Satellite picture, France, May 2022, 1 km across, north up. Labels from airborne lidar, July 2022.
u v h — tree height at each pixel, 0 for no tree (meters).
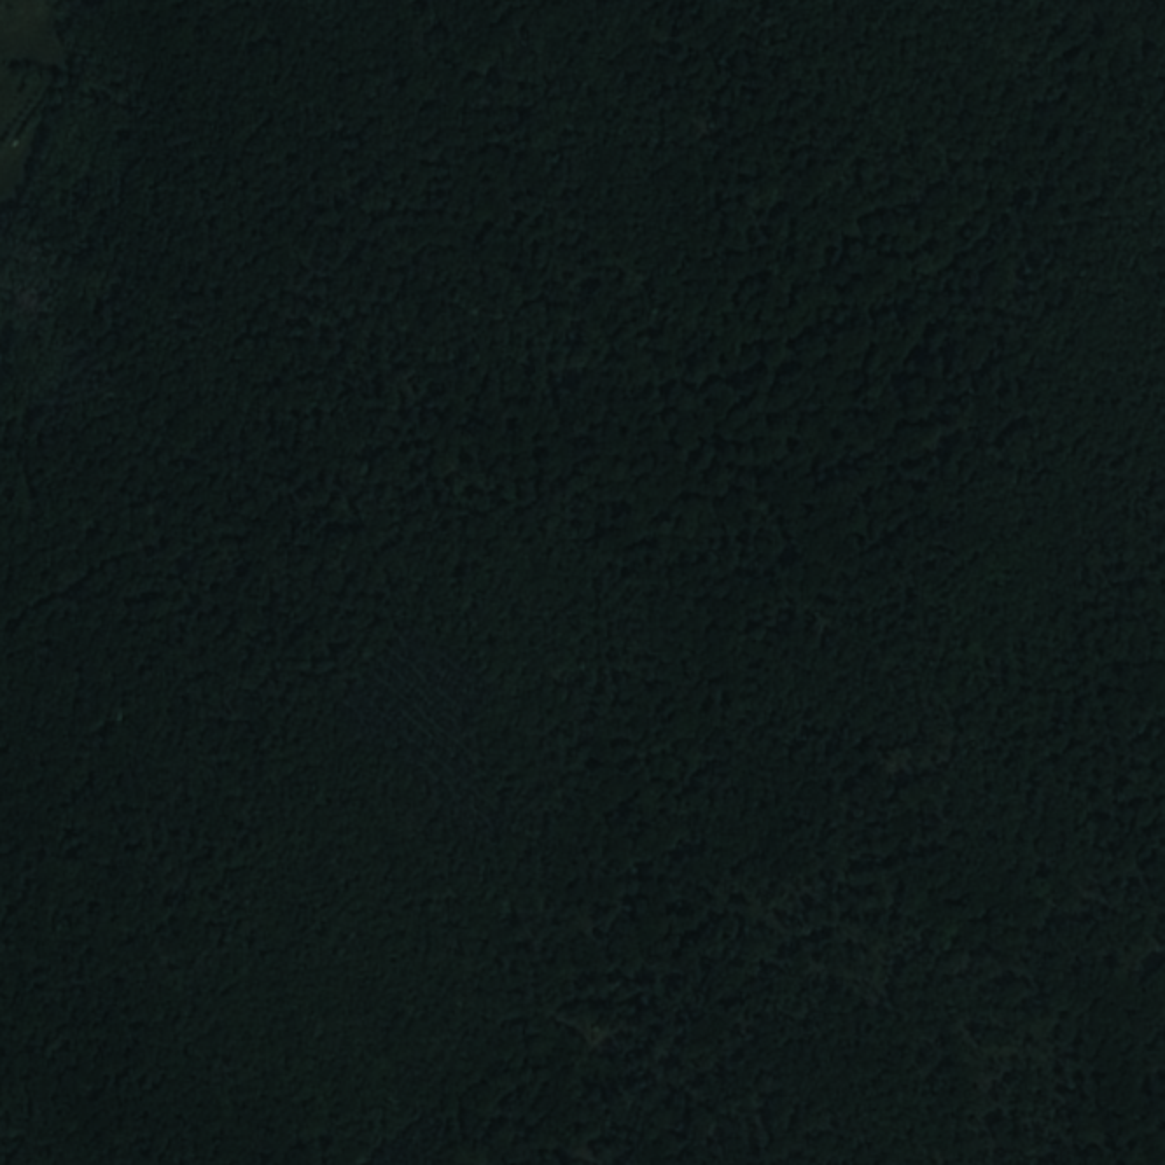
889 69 12
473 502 22
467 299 16
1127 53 19
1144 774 20
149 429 18
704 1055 21
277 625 16
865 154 16
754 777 17
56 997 19
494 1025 18
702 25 17
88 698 20
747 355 26
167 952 18
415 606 12
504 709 12
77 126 21
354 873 11
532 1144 21
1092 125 19
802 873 20
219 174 16
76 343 19
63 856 14
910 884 20
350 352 21
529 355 12
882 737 16
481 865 13
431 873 14
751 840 18
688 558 19
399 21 18
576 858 21
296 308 23
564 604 11
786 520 27
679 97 21
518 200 24
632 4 16
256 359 18
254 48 17
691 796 25
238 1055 12
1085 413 12
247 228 22
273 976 11
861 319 22
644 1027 23
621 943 28
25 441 21
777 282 19
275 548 11
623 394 15
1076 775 17
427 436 23
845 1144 16
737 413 28
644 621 17
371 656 13
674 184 20
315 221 22
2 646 17
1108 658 17
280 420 17
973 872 19
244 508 23
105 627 20
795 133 22
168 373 20
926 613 18
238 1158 21
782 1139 20
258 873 13
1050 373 16
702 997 20
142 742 19
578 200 18
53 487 18
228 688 20
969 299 29
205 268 22
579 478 26
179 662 20
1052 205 20
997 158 22
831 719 19
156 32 20
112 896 17
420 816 9
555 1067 26
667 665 21
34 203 16
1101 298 15
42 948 20
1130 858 19
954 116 17
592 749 23
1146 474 13
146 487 23
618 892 28
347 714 19
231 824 16
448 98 17
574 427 27
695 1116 21
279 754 18
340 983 13
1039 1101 16
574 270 21
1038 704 15
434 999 16
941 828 23
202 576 18
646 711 18
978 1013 14
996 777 15
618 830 27
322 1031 9
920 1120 15
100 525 17
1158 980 24
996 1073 12
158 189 18
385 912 11
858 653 13
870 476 26
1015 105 19
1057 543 15
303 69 16
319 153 20
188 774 19
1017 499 15
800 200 20
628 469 25
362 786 11
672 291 21
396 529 9
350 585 20
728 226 23
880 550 17
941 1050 19
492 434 29
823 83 15
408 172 18
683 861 23
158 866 17
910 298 20
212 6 16
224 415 18
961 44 16
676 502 28
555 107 20
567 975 17
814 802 18
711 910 27
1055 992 24
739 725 17
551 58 17
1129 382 12
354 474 16
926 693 16
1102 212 16
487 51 21
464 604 19
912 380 26
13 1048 21
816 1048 20
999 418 20
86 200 24
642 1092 21
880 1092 12
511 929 18
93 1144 19
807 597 24
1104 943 23
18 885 20
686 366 14
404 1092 17
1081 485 11
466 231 8
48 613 17
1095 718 16
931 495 21
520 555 15
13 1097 17
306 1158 23
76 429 17
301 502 23
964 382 24
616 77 17
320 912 14
